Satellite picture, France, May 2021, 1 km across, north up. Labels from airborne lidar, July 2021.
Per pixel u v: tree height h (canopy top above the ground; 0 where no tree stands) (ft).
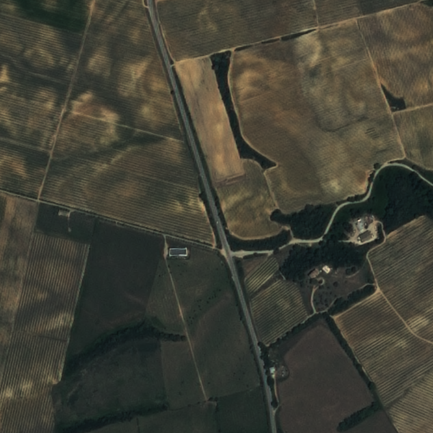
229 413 0
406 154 0
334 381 0
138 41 0
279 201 0
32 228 0
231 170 0
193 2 0
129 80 0
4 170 0
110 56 0
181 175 0
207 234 0
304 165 0
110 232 0
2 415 0
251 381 0
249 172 0
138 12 0
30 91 0
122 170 0
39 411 0
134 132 0
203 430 0
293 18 0
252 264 0
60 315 0
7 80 0
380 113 0
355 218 33
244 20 0
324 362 0
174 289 0
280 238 26
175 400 0
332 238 47
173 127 0
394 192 22
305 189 0
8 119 0
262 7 0
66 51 0
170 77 0
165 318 0
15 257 0
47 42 0
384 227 18
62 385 0
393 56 0
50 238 0
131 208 0
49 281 0
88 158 0
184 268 0
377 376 0
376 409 19
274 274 0
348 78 0
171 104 0
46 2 0
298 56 0
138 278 0
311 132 0
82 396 0
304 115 0
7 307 0
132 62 0
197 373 0
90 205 0
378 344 0
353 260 27
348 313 0
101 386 0
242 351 0
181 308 0
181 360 0
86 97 0
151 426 0
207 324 0
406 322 0
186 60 0
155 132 0
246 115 0
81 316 0
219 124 0
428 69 0
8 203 0
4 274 0
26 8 0
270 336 0
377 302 0
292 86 0
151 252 0
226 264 0
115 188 0
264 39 0
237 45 0
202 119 0
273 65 0
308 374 0
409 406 0
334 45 0
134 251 0
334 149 0
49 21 0
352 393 0
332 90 0
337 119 0
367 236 0
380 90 0
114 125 0
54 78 0
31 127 0
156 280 0
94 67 0
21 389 0
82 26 0
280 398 0
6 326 0
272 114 0
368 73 0
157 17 0
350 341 0
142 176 0
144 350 0
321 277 0
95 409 0
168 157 0
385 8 0
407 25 0
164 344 0
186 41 0
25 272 0
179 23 0
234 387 0
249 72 0
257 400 0
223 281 0
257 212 0
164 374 0
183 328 0
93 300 0
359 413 35
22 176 0
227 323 0
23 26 0
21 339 0
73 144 0
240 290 0
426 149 0
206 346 0
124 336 22
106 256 0
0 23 0
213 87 0
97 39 0
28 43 0
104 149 0
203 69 0
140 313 0
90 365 0
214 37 0
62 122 0
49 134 0
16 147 0
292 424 0
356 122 0
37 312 0
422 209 27
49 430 0
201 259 0
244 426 0
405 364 0
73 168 0
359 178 0
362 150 0
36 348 0
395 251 0
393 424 0
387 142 0
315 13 0
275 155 0
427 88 0
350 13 0
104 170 0
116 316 0
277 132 0
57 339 0
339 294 0
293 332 28
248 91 0
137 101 0
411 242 0
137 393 0
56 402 0
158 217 0
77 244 0
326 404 0
